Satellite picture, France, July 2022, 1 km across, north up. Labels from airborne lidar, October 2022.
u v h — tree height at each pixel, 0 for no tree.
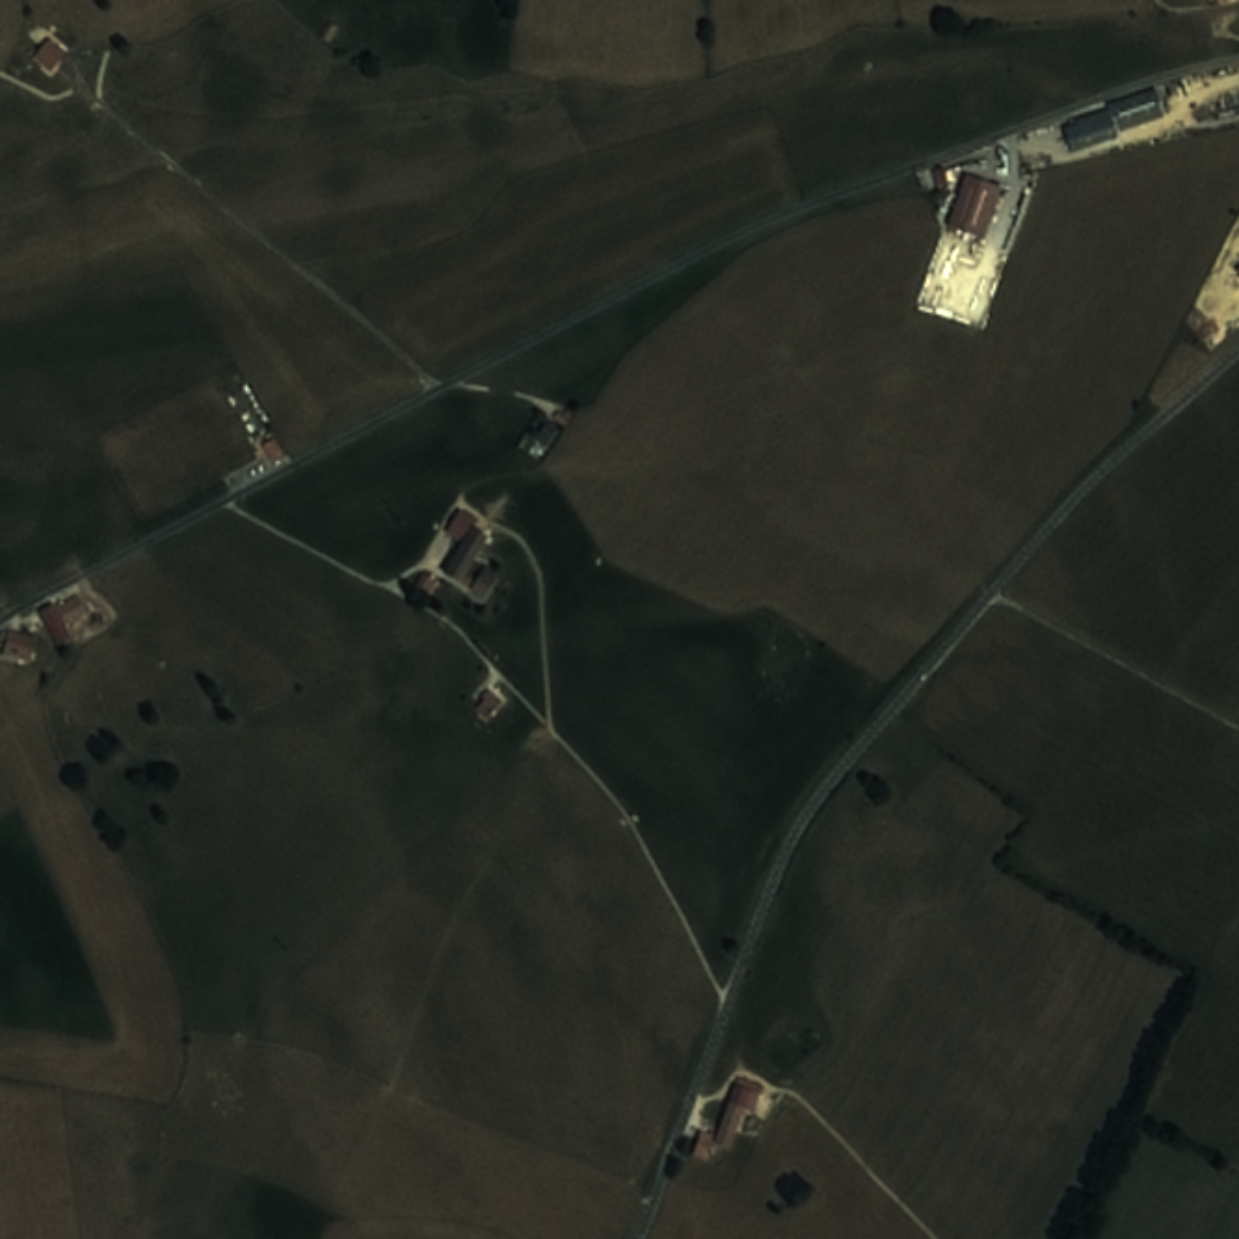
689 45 0
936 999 0
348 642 0
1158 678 0
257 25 0
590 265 0
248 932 0
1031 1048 0
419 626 0
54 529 0
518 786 0
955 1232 0
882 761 0
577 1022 0
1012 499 0
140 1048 0
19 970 0
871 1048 0
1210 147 0
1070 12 0
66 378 0
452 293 0
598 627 0
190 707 0
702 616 0
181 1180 0
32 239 0
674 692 0
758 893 0
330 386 0
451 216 0
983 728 0
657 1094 0
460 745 0
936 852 0
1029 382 0
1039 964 0
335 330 0
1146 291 0
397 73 0
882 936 0
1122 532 0
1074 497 0
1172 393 0
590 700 0
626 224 0
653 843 0
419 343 0
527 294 0
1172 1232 0
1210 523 0
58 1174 0
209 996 0
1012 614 0
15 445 0
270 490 0
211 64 0
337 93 0
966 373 0
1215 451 0
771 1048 0
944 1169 0
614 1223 0
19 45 0
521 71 0
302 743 0
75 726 0
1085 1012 0
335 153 0
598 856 0
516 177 0
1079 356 0
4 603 0
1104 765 0
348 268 0
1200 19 0
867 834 0
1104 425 0
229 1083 0
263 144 0
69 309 0
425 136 0
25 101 0
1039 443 0
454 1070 0
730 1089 0
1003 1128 0
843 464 0
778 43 0
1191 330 0
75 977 0
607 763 0
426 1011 0
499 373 0
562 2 0
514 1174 0
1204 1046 0
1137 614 0
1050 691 0
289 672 0
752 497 0
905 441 0
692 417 0
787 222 0
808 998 0
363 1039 0
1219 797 0
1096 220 0
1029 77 0
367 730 0
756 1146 0
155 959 0
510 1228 0
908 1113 0
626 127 0
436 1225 0
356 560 0
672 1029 0
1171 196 0
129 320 0
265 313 0
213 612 0
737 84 0
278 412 0
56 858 0
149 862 0
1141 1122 23
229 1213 0
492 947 0
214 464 0
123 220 0
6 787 0
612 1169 0
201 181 0
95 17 0
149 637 0
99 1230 0
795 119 0
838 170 0
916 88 0
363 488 0
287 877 0
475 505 0
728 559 0
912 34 0
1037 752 0
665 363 0
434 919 0
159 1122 0
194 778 0
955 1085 0
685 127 0
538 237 0
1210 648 0
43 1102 0
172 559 0
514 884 0
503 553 0
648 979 0
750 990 0
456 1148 0
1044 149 0
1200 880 0
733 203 0
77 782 22
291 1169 0
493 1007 0
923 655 0
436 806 0
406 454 0
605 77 0
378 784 0
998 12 0
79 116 0
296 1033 0
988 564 0
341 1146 0
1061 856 0
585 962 0
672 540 0
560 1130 0
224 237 0
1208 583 0
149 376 0
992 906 0
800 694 0
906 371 0
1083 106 0
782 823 0
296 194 0
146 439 0
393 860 0
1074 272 0
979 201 0
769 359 0
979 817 0
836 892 0
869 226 0
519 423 0
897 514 0
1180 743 0
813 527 0
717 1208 0
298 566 0
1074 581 0
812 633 0
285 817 0
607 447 0
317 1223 0
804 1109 0
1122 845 0
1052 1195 0
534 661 0
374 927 0
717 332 0
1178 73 0
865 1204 0
